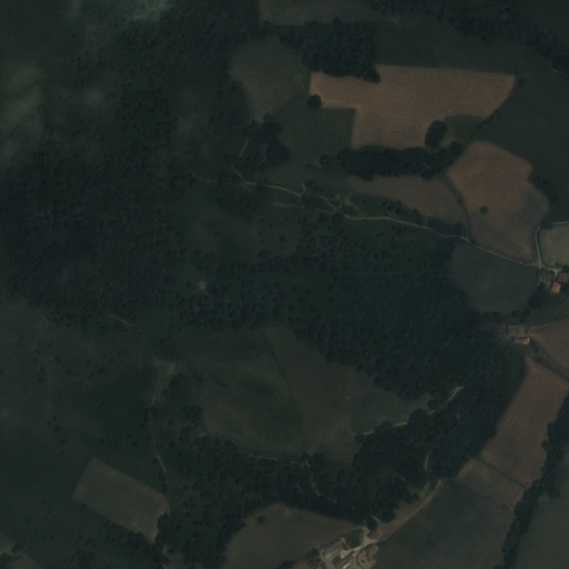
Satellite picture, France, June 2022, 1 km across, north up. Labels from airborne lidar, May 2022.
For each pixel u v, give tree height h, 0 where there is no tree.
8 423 0
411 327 11
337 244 17
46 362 0
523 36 22
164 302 13
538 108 0
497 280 0
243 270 26
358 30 19
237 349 0
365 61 11
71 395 0
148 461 0
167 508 0
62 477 0
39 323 0
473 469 0
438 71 0
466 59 0
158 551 11
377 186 0
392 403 0
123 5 0
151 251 15
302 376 0
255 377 0
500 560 0
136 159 11
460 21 17
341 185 0
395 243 18
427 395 0
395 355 9
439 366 9
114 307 8
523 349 0
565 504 0
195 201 0
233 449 12
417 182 0
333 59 24
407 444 15
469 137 0
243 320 14
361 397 0
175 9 17
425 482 17
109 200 20
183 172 0
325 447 0
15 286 11
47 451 0
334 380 0
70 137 13
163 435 0
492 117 10
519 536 15
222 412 0
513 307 0
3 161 21
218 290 20
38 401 0
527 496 13
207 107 0
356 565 0
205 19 10
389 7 11
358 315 15
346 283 22
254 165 8
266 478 8
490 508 0
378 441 12
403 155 21
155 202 13
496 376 16
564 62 20
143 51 12
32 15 0
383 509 12
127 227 15
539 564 0
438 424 15
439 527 0
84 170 8
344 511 13
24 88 0
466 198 0
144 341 0
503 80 0
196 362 0
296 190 0
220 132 19
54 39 0
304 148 0
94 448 0
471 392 20
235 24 12
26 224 23
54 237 23
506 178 0
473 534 0
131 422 0
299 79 0
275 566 0
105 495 0
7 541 0
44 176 16
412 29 0
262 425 0
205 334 0
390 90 0
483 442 25
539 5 0
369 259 16
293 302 0
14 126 16
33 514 0
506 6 8
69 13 0
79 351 0
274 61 0
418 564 0
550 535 0
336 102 0
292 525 0
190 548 17
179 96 0
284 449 0
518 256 0
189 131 0
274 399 0
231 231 0
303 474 10
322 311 0
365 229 0
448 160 22
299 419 0
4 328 0
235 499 13
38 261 19
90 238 14
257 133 14
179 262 6
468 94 0
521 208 0
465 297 18
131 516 0
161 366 0
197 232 0
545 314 0
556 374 0
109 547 0
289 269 19
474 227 0
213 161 0
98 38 12
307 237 16
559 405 0
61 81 0
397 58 0
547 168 0
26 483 0
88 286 12
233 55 12
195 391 0
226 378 0
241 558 0
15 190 25
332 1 0
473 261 0
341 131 0
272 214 0
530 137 0
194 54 14
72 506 0
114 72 9
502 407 17
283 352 0
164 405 0
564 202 0
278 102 0
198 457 7
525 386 0
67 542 0
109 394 0
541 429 0
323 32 8
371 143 0
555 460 21
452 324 18
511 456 0
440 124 20
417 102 0
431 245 0
